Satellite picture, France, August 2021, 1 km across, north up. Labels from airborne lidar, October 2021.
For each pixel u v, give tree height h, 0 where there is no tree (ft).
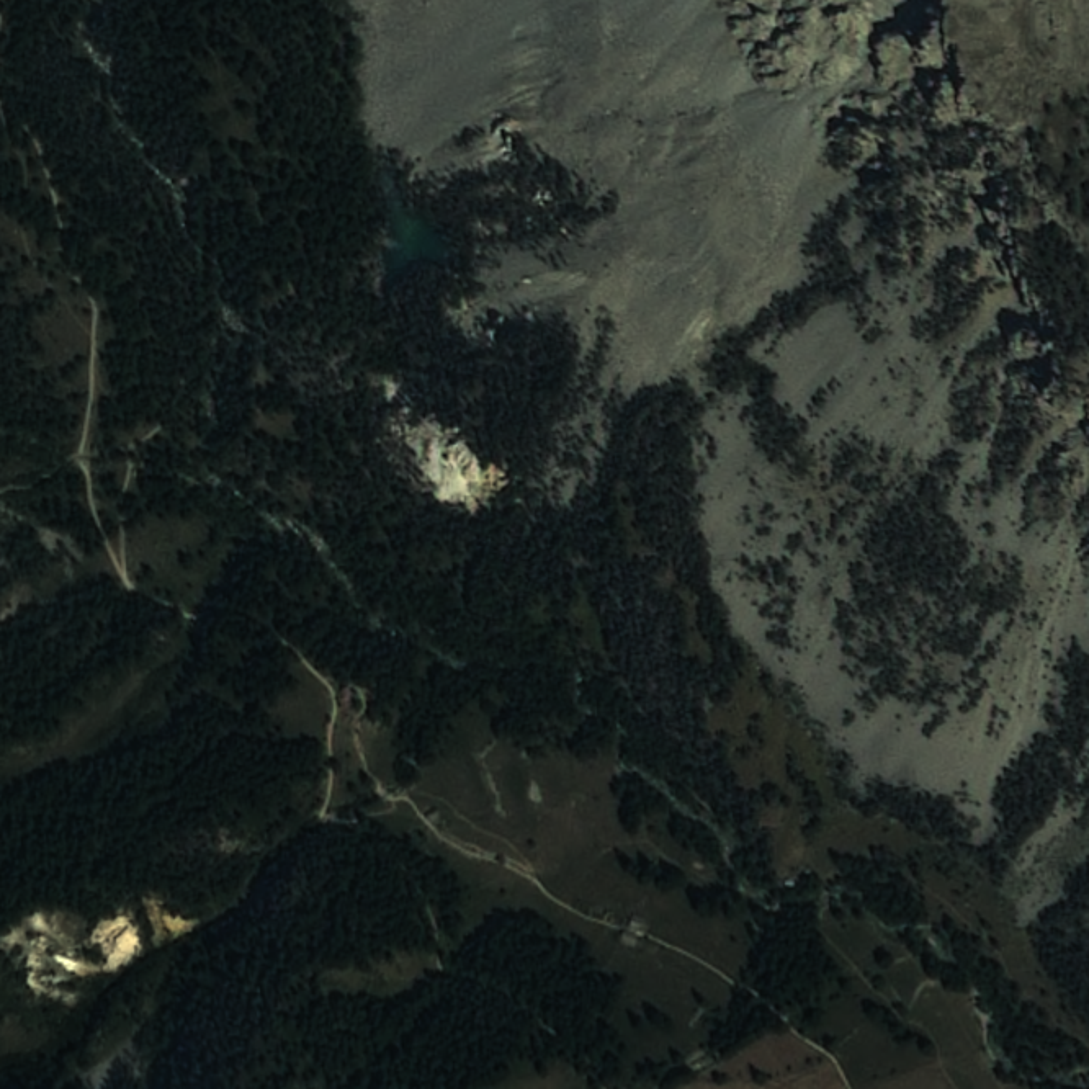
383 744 0
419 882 59
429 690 64
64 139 38
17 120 76
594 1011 58
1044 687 0
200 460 28
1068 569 0
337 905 50
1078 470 18
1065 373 31
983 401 21
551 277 0
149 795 43
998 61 0
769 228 0
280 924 32
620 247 0
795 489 0
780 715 0
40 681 61
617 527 65
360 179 64
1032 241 29
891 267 32
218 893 24
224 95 0
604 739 48
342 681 61
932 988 0
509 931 72
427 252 0
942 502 20
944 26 0
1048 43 0
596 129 0
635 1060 0
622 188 0
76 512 37
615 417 22
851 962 0
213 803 49
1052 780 26
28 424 42
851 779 0
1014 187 25
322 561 53
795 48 0
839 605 27
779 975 63
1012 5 0
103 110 60
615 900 0
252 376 38
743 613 0
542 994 61
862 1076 0
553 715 54
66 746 0
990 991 34
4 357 41
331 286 68
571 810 0
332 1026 52
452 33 0
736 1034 42
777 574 40
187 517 56
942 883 0
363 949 57
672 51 0
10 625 36
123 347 49
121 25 68
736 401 0
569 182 34
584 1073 39
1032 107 0
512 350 28
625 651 28
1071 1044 32
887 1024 21
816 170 0
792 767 37
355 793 21
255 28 54
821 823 68
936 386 0
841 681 0
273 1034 28
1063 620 0
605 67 0
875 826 0
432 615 49
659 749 49
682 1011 0
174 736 32
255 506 32
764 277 0
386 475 47
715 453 28
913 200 37
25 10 38
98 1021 43
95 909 36
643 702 51
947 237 0
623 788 63
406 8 0
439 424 25
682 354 0
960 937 43
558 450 25
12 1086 17
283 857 26
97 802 46
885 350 0
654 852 0
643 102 0
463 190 26
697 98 0
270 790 64
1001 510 0
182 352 45
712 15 0
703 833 60
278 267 56
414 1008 74
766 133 0
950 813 27
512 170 29
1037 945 30
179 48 68
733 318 0
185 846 42
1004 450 35
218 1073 35
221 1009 24
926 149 23
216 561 0
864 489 25
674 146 0
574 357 26
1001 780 38
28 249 0
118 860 68
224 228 65
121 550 0
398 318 58
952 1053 0
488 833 0
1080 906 46
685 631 33
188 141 48
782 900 45
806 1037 21
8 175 62
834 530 19
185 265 58
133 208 62
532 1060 29
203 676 49
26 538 25
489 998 53
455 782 0
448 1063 51
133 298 60
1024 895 0
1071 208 40
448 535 73
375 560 71
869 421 0
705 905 88
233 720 46
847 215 35
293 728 0
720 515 0
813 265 24
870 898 35
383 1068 72
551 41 0
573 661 33
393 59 0
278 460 55
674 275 0
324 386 31
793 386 0
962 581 23
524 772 0
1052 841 0
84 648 38
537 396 74
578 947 35
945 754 0
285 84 33
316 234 71
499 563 70
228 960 24
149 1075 21
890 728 0
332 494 61
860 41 0
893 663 28
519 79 0
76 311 0
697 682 33
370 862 59
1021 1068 32
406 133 0
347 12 0
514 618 67
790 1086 0
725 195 0
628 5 0
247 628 35
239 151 52
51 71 37
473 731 0
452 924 68
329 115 41
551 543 31
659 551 34
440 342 36
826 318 0
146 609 43
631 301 0
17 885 65
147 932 25
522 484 51
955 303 24
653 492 40
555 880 0
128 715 0
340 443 48
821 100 0
